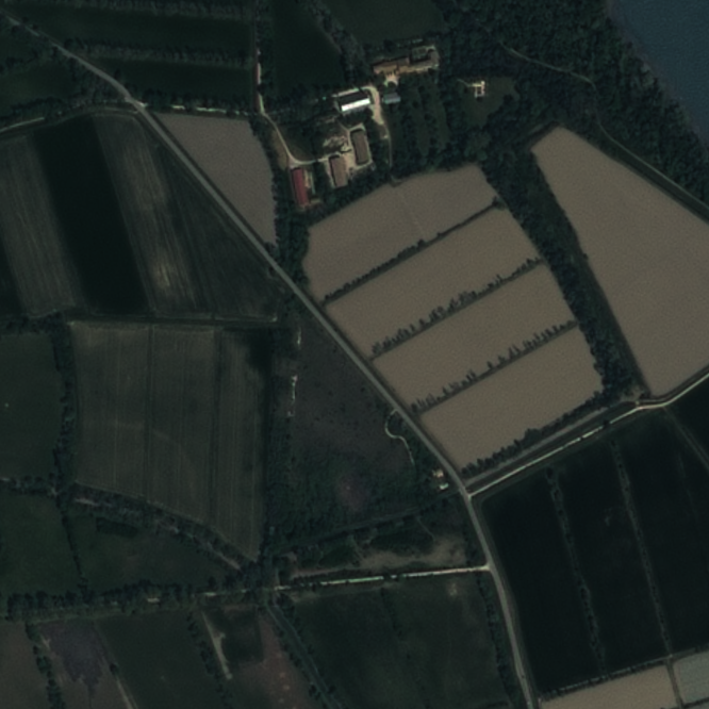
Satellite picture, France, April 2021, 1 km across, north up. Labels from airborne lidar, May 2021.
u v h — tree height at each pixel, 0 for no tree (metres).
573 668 0
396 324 0
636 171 0
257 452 0
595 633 7
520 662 0
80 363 0
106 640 0
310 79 0
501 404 0
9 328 6
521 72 13
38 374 0
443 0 15
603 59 27
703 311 0
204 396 0
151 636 0
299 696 0
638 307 0
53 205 0
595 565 0
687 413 0
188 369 0
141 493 0
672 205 0
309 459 6
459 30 14
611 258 0
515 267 0
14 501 0
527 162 10
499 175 11
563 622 0
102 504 9
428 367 0
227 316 0
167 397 0
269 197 0
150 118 0
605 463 0
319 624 0
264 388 0
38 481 11
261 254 0
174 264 0
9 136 0
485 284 0
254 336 0
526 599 0
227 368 0
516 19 13
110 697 0
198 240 0
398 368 0
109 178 0
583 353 0
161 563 0
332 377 0
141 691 0
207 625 0
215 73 0
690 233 0
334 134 0
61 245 0
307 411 0
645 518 0
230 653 0
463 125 19
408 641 0
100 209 0
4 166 0
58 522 0
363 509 7
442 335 0
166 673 0
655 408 0
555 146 0
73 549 8
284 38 0
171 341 0
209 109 9
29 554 0
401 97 18
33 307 0
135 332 0
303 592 10
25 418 0
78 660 0
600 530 0
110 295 0
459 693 0
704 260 0
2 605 24
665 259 0
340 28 31
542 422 0
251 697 0
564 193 0
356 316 0
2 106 0
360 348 0
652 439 0
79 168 0
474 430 0
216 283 0
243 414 0
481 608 0
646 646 0
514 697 15
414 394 0
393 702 0
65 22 0
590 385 0
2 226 0
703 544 0
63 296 0
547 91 15
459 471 0
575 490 0
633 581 0
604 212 0
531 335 0
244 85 0
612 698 0
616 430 0
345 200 10
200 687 0
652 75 13
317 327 0
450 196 0
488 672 0
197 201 0
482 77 13
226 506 0
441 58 10
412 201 0
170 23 0
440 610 0
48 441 0
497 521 0
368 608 0
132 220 0
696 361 0
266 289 0
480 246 0
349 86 8
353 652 0
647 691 0
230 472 0
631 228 0
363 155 0
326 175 10
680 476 0
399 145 0
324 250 0
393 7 0
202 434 0
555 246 9
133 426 0
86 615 19
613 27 17
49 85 0
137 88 13
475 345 0
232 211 0
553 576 0
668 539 0
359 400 0
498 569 0
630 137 15
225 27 0
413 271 0
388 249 0
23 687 0
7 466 0
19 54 0
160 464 0
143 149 0
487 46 12
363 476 12
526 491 0
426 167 19
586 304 16
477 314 0
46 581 0
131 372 0
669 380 0
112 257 0
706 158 18
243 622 0
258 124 17
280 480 11
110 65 0
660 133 11
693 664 0
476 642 0
